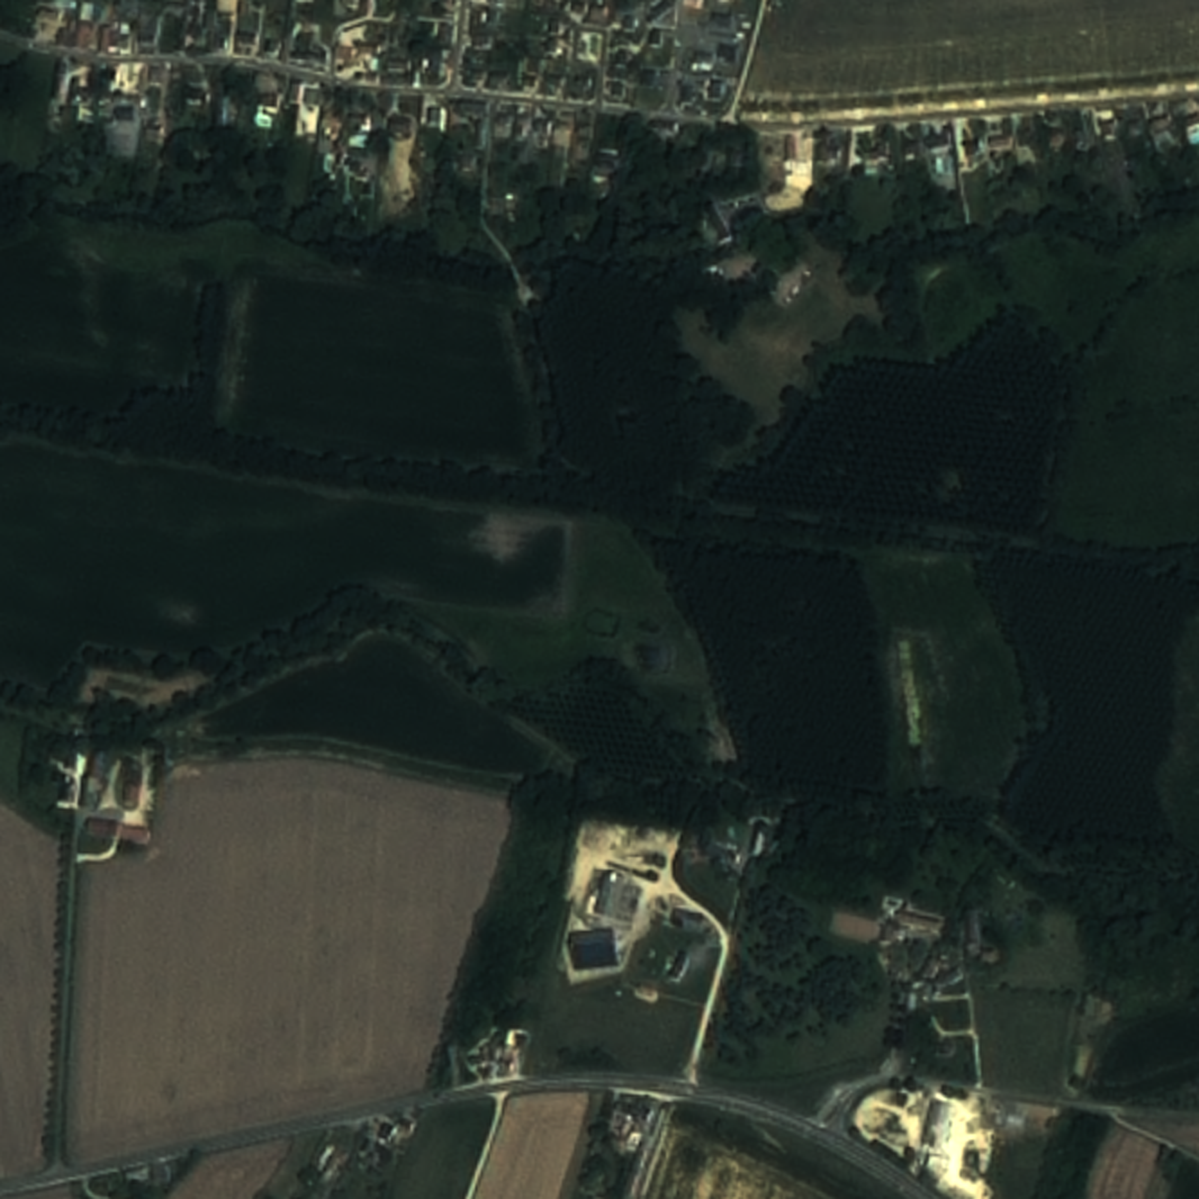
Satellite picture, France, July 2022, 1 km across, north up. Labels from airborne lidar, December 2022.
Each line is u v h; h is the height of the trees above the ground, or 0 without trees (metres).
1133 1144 0
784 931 15
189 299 0
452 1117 0
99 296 0
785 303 0
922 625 0
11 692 14
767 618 30
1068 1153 6
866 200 0
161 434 22
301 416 0
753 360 0
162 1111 0
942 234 6
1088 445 0
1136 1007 0
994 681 0
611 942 0
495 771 0
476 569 0
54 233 0
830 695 31
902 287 19
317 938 0
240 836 0
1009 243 12
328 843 0
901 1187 0
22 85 17
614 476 28
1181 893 21
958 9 0
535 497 15
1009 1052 0
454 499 12
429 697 0
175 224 17
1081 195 8
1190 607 30
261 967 0
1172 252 0
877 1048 0
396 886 0
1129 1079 0
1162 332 0
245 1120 0
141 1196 9
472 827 0
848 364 0
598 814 17
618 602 0
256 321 0
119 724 10
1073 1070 0
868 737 29
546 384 13
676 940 0
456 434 0
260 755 0
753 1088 0
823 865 22
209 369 12
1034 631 31
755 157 14
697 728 0
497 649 0
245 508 0
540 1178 0
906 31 0
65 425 16
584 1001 0
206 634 0
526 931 8
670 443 28
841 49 0
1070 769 29
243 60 0
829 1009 14
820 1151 0
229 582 0
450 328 0
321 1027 0
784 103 0
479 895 0
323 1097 0
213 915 0
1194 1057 0
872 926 0
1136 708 28
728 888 0
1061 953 0
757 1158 0
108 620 0
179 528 0
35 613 0
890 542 17
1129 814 30
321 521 0
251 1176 0
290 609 0
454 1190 0
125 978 0
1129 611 30
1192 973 0
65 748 13
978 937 0
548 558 0
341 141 5
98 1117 0
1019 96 0
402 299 0
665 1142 0
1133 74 0
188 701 11
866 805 26
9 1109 0
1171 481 0
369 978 0
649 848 0
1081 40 0
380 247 19
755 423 19
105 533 0
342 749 0
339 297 0
